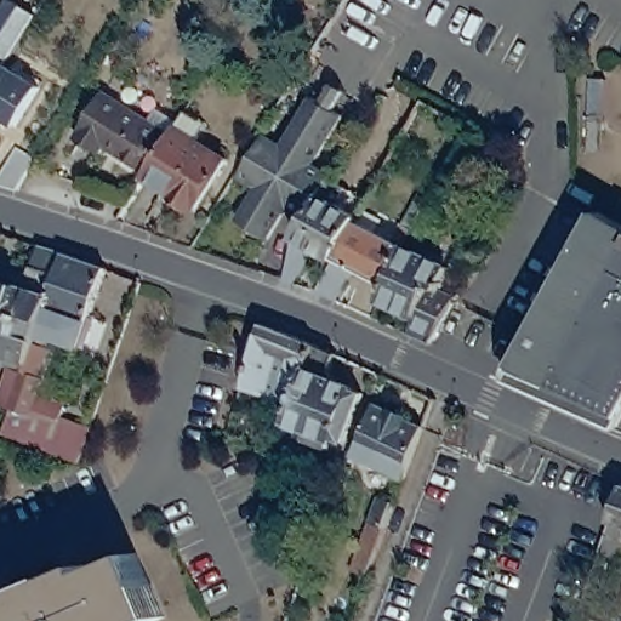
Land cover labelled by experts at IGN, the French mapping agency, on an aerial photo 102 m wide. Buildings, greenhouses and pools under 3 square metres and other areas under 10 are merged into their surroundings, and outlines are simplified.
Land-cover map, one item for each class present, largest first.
<instances>
[{"label":"impervious surface","instance_id":"1","mask_svg":"<svg viewBox=\"0 0 621 621\"><path fill-rule=\"evenodd\" d=\"M589 44V58L594 63L599 49H604V53H614L621 58V0H340L335 15L323 27L318 41H313L311 46L313 65L311 70H306L308 85L301 90L291 85L279 97V107L274 112L279 126L267 133L272 141H279L286 126H291V119H296L298 109L303 107V99H313L318 104L325 90L342 92V104L335 107V112L340 114L337 129L342 131V126L357 114L359 107L381 97L388 87L391 75L403 78L415 87L427 82L432 90H439L437 97L458 104L454 119H471L480 126L483 133H507L509 138H519L524 143L522 163L526 167V182L522 189L524 204L519 209L517 221L512 223L509 235L500 243L497 252L480 272V277H468V281H473L471 289H463L456 296H461V306L449 313V332H441L437 342H415L405 332H398L391 325H381L371 315V311L378 308L376 298L381 286L371 284L366 274L354 269L352 277H344V272L325 267V274L315 289L296 286L294 279L311 257L308 247H301V238H291L289 243L284 240L291 216L281 218L279 230L264 247V255L255 264V269H245L233 262L196 252L194 243L192 247L180 245H175L172 240H158L148 230H141V223H148L150 218L160 216L163 209L165 196H150L141 182H136L129 175L131 165H126L124 160L114 158L102 148L82 150L80 146H75L73 153H53L58 172L46 175L34 184L29 194L19 192L0 189V247L7 250L10 264L24 272L29 269V255H34L36 245L65 252L70 257L92 262L97 269H104V281L92 308L95 323L85 335L87 349L97 352L95 364L104 369L114 344L104 340V335L112 330L126 286L133 289L136 284L160 289L167 294L175 308L177 335L170 344L167 357L155 364L158 374L160 393L153 403L148 425H138V441L143 444L138 451L136 463L121 485H104V478L97 473L90 475L87 468L78 471V475L68 478L65 483L49 485H44L41 490H24V495L10 502L0 505V560H12L24 543L49 541L58 534L63 524L80 526L82 522L104 519L107 526L119 531L129 522H133L146 512H165L172 534L170 546L182 575H194V582L201 589L204 602L213 616H218L226 606H235V614H240L243 621H277L284 611V597L289 587L281 580H277L279 568L262 563L252 551V519L260 500V495H252L255 475H240L235 468H221L211 461H201L196 468L182 466L180 449L189 446L192 439H201L204 427H223V415L228 410L226 398L238 391V374L243 369V354L252 325H267L313 347L311 357L303 361V369L308 374L325 376L327 381L342 383L352 393L361 395L349 425L352 429H357V425L366 417L369 405H374L371 393L361 391L354 376L376 371L381 378L398 381L405 388L400 391V398L422 417L417 427L425 434L408 475L386 483L388 492H393L388 502V507H393V517L388 529L378 524L376 541L369 553L371 565L376 568V577L369 585L366 599L359 604L357 621H570L560 606V597L568 594V587L556 585L553 575L558 570L568 572L582 568L585 563H592L599 548L606 500L614 485H621V439H614L609 432L589 429L556 412L548 415L546 410H541V405L495 386L490 374L500 369V357L509 347L539 286L543 284L558 252L563 250L565 238L570 235L577 216L592 213L621 233V187L609 184L587 172L585 167H580L570 177L568 167L563 119L568 116V82L563 73H558L553 65V46ZM73 177H92L112 187L131 184L133 189L124 206H102L95 199H80V194L73 189ZM211 320H243V327L233 332V342L226 344L221 354L206 349L204 332ZM5 63L7 68L22 73L32 85H36L44 97L51 90V85L65 87L68 82L56 70L46 61L36 58L34 51H27L24 44L19 41L12 56L5 58ZM126 104H136L143 112H148V119L153 124H160L165 116L160 109H155V102L150 97L131 87H129L121 95ZM17 148L27 153L24 129L22 124H0V172Z\"/></svg>","mask_w":621,"mask_h":621},{"label":"building","instance_id":"2","mask_svg":"<svg viewBox=\"0 0 621 621\"><path fill-rule=\"evenodd\" d=\"M39 10V0H0V124H22L24 129H39L36 107L44 102V97L36 85H32L22 73L7 68L5 63V58L12 56L19 41V36L24 34L32 17ZM70 141L75 146H80L82 150L102 148L114 158L124 160L126 165H131L129 175L136 182H141L150 196H165L163 209H175L180 213H196V209H209L211 199L216 196L218 184L233 167V163L228 158L221 160L216 153L199 143V121L184 114H180L177 119L165 116L160 124H153L148 119V112H143L136 104H126L121 95L114 92L107 82H102L97 87H85L78 97L70 126ZM342 104V92L325 90L318 104L313 99H303V107L298 109L296 119H291V126H286L279 141H272L267 133H260L247 143L250 150L243 158L240 170L230 177L233 184L240 182L245 192H240L233 201V213L235 226L247 230L250 238H257L264 247L279 230L281 218L291 216L284 240L289 243L291 238H301V247H308L311 257L325 262V267L344 272V277H352L354 269L366 274L371 284L381 286L376 298L378 308L400 320H408L410 327L405 332L415 342H437L441 332H449V313L461 306V296H451L449 301L444 294H439L444 284V269L425 260L420 252L400 250L391 240L374 235L378 223L361 216H357L354 209L349 206L347 196L337 194L332 187L320 184V167L313 165V160L323 155V150H327V141L337 129L340 114L335 112V107ZM29 163L27 153L17 148L0 172V189L19 192L27 180ZM495 386L541 405V410H546L548 415L556 412L589 429L609 432L614 439H621V233L592 213L577 216L570 235L565 238L563 250L558 252L543 284L539 286L509 347L500 357V369L490 374ZM29 269L24 272V277L36 281L41 294L12 284H0V434L22 444H34L41 451L61 456L65 461L80 458L87 429L75 425L82 408L36 398L34 388L46 378L49 352L44 344H56L61 349H87L85 335L95 323L92 308L104 281V269H97L92 262L70 257L65 252L36 245L34 255H29ZM313 347L267 325H252L243 354V369L238 374V391L247 395H269L272 400H277L279 429L284 432H289L291 437L313 449L340 446L347 454V463L361 473L364 485L374 488L361 524L352 529V539H357L359 551L349 553V575L364 572L371 565L369 553L376 541L378 524L388 529L393 517V507H388V502L393 492H388L386 483L408 475L425 434L417 427L408 417L395 412H391L388 417L381 415V408L374 405H369L366 417L357 425V429H352L349 425L361 395L352 393L342 383L327 381L325 376L308 374L303 369V361L311 357ZM599 548L611 556L619 551L621 543V485H614L606 500ZM0 621H175L170 609V592L148 568L138 563L136 548L129 556H107L80 568H56L32 580H17L7 587H0Z\"/></svg>","mask_w":621,"mask_h":621},{"label":"deciduous trees","instance_id":"3","mask_svg":"<svg viewBox=\"0 0 621 621\"><path fill-rule=\"evenodd\" d=\"M61 0H39V10L32 17L24 34L19 36V41L24 44H29L32 39H41L53 24L61 22ZM340 0H323L318 5L315 17H308L303 12V22L294 29L281 32L277 36L255 39L260 51L257 58H245L243 65L223 63V51L240 46V34L233 27L216 24L213 19H209L206 12L201 10L182 29H177L184 68L182 73L170 75V109L177 104H189L199 109L194 90H199L201 85L221 87L233 97L247 95L250 102L262 104V112L250 124L243 119L233 121V136L238 148L247 143L260 133H267L279 126L274 112L279 107V97L291 85L301 90L308 85L306 70H311L313 65L311 46L313 41H318L323 27L335 15ZM150 36L143 29H133L126 39H119L112 46H107L104 56L112 58V73L129 87H131L136 82V68L129 61H124V56H136L141 41ZM87 51L80 49L78 41L68 44L65 49H53V56L58 61L56 70L68 82ZM553 65L558 73H563L568 82V116L563 119L568 167L570 177L580 167L577 148L585 146V138L577 129V80H602L604 73H597L594 63L589 58V44L553 46ZM381 97L359 107L357 114L342 126V131L337 129L327 141V150H323V155L313 160V165L320 167V184L332 187L340 180H344V170L352 155H357L361 146L369 141L378 116ZM420 114L434 121L444 141H451L458 148L475 146L483 150L480 158L458 163L454 175L432 172L434 158L427 155L429 143L425 138L405 131L395 136L388 133L383 146V150H388L383 167L376 172L374 182L361 194L354 209L357 216H361L376 204V196H383L388 192L391 180H410V196L417 204L412 206L410 218H405L400 230L415 240H427L432 245L451 235L449 250L454 252V257L444 269V284L439 294H444L449 301L451 296H456L463 289H471L473 281H468V277H480V272L497 252L500 243L509 235L512 223L517 221L519 209L524 204L522 189L526 182V167L522 163L524 143L519 138H509L507 133H483L480 126L471 119H444L437 109L422 104ZM233 213V201L216 196L211 199L209 209H196V213L194 228H206L209 221L223 223ZM243 327V320H211L204 332L206 349L221 354L226 344L233 342V332ZM49 352L46 378L34 388L36 398L82 408H92L97 395L102 393L104 369L95 364L97 352L87 349H61L56 344H44ZM361 391L371 393L374 405L381 408V415L388 417L391 412H395L408 417L417 427L422 417L400 398V391L405 388L398 381L381 378L376 371L354 376ZM131 398L136 403H153L160 393L158 374L150 378L141 374L126 376ZM228 410L223 415V427H204L201 439H192L189 446L180 449L182 466L196 468L201 461H211L221 468H235L240 475H255L252 495H260V500L252 519V551L262 563L279 568L277 580H281L289 587L284 597V611L277 621H313L311 606L315 602H323L327 575L335 570V548H342L352 539V529L361 524L374 488L364 485L361 473L347 463V458L320 463L313 456L272 454L269 446L284 432L279 429L277 400H272L269 395H247L238 391L226 398ZM107 446H114L121 458L138 451L143 444L138 441V420H133L129 427L107 434L87 429L80 458L85 466H92L104 456ZM15 461L19 480L27 483L29 490H41L44 485H49L51 471H63L65 461L61 456L41 451L34 444H22L0 434V505L10 502L5 497V463ZM136 529L148 531L158 546H170L172 534L165 512H146L133 522ZM376 577V568L371 565L364 572L349 575L347 606H330L327 621H357L359 604L366 599L369 585Z\"/></svg>","mask_w":621,"mask_h":621},{"label":"herbaceous vegetation","instance_id":"4","mask_svg":"<svg viewBox=\"0 0 621 621\"><path fill-rule=\"evenodd\" d=\"M61 22L53 24L41 39H32L29 44H24L27 51H34L36 58L46 61L56 70L58 61L53 56V49H65L68 44L78 41L80 49L87 51L95 34L102 29L107 15L119 10V0H61ZM211 7V0H141L129 15V24L133 29H143L150 36L141 41L136 56H124V61H129L136 68V82L131 87L150 97L155 102V109H160L165 116L177 119L180 114H184L199 121V143L216 153L221 160L228 158L233 163V167L218 184L216 196L233 201L240 192H245L240 182L233 184L230 177L240 170L243 158L250 150L247 143L238 148L233 136V121L243 119L250 124L262 112V104L250 102L247 95L233 97L221 87L201 85L199 90H194L199 109L189 104H177L170 109V75L182 73L184 68L177 29H182L201 10L206 12ZM323 0H274L269 15L264 17V24L255 27L252 39L240 46L223 51V63L243 65L245 58H257L260 51L255 39L277 36L281 32L294 29L303 22V12L308 17H315L318 5ZM102 82H107L114 92L121 95L129 87L112 73V58L104 56L99 65ZM577 129L585 138V146L577 148L580 167H585L587 172L609 184L621 187V68L604 73L602 80H577ZM422 104L410 102L395 87H388L381 97L378 116L369 141L361 146L357 155H352L344 170V180H340L332 187L337 194L347 196L349 206L354 209L361 194L374 182L376 172L383 167L388 150H383V146L388 133L395 136L405 131L425 138L429 143L427 155L434 158L432 172L454 175L458 163L480 158L483 150L475 146L458 148L451 141H444L434 121L420 114ZM46 175L39 165L29 163L27 180L19 192L29 194L34 184ZM410 180H391L388 192L383 196H376V204L361 216L378 223L374 235L391 240L400 250L420 252L425 260L444 269L454 257V252L449 250L451 235L432 245L427 240H415L400 230L405 218H410L412 206L417 204L410 196ZM196 213H180V245L192 247L194 243L196 252L233 262L245 269H255V264L264 255V247L257 238H250L247 230L235 226L233 213L223 223L209 221L206 228H194ZM0 284H12L41 294L36 281L24 277V272L10 264L7 250L0 247ZM325 274V262L311 257L294 279L296 286L315 289ZM177 335L175 308L167 294L160 289L136 284L133 289V306L126 311L119 340L114 344L104 369L102 393L97 395L92 408H82L75 425L87 429L107 434L129 427L133 420H138V425H148L153 403H136L131 398L126 376L141 374L150 378L158 374L155 364L167 357L170 344ZM272 454L313 456L320 463L347 458V454L340 446L313 449L291 437L289 432H284L269 446ZM138 451L121 458L114 446H107L104 456L92 466H85L80 458L65 461L63 471H51L49 485L65 483L68 478L78 475V471L87 468L90 475L97 473L104 478V485H121L136 463ZM5 497L10 502L24 495V490H29L27 483L19 480L15 461L5 463ZM136 548L138 563L148 568L170 592V609L175 621H192L196 611L184 592L182 575L170 546H158L148 531L136 529L133 522H129L119 531L107 526L104 519L82 522L80 526L63 524L58 534L49 541L24 543L12 560H0V587H7L17 580H32L56 568H80L107 556H129ZM359 551L357 539H352L342 548H335V570L327 575L323 602H315L311 606L313 621H327L330 606H347L349 575V553Z\"/></svg>","mask_w":621,"mask_h":621},{"label":"brushwood","instance_id":"5","mask_svg":"<svg viewBox=\"0 0 621 621\"><path fill-rule=\"evenodd\" d=\"M141 0H119V10L107 15L102 29L95 34L87 51L68 82L65 87L51 85V90L44 97V102L36 107L39 129H24L27 153L29 163L39 165L46 175L58 172L53 153H73L75 146L70 141V126L78 97L85 87H97L102 82L99 65L104 56L107 46H112L119 39H126L133 29L129 24V15ZM597 73H604L621 68V58L614 53H604V49H599L594 63ZM388 87H395L410 102L422 104L437 109L444 119H454L458 104L437 97L439 90H432L427 82L415 87L403 78L391 75ZM73 189L80 194V199H95L102 206H124L133 189L131 184L112 187L92 177H73ZM180 213L175 209H163L160 216L150 218L148 223H141V230H148L158 240H172L175 245H180ZM133 306V289L126 286L112 330L104 335V340L114 344L119 340L126 311ZM371 315L381 325H391L398 332H405L410 327L408 320H400L378 308L371 311ZM556 585L568 587V594L560 597V606L570 621H621V543L619 551L611 556L599 548L592 563H585L582 568L568 572L558 570L553 575ZM184 592L196 611L192 621H243L240 614H235V606H226L218 616H213L204 602L201 589L194 582V575H182Z\"/></svg>","mask_w":621,"mask_h":621},{"label":"coniferous trees","instance_id":"6","mask_svg":"<svg viewBox=\"0 0 621 621\"><path fill-rule=\"evenodd\" d=\"M274 0H211V7L206 12L209 19H213L216 24L233 27L240 34V46L252 39L255 27L264 24V17L269 15Z\"/></svg>","mask_w":621,"mask_h":621}]
</instances>
